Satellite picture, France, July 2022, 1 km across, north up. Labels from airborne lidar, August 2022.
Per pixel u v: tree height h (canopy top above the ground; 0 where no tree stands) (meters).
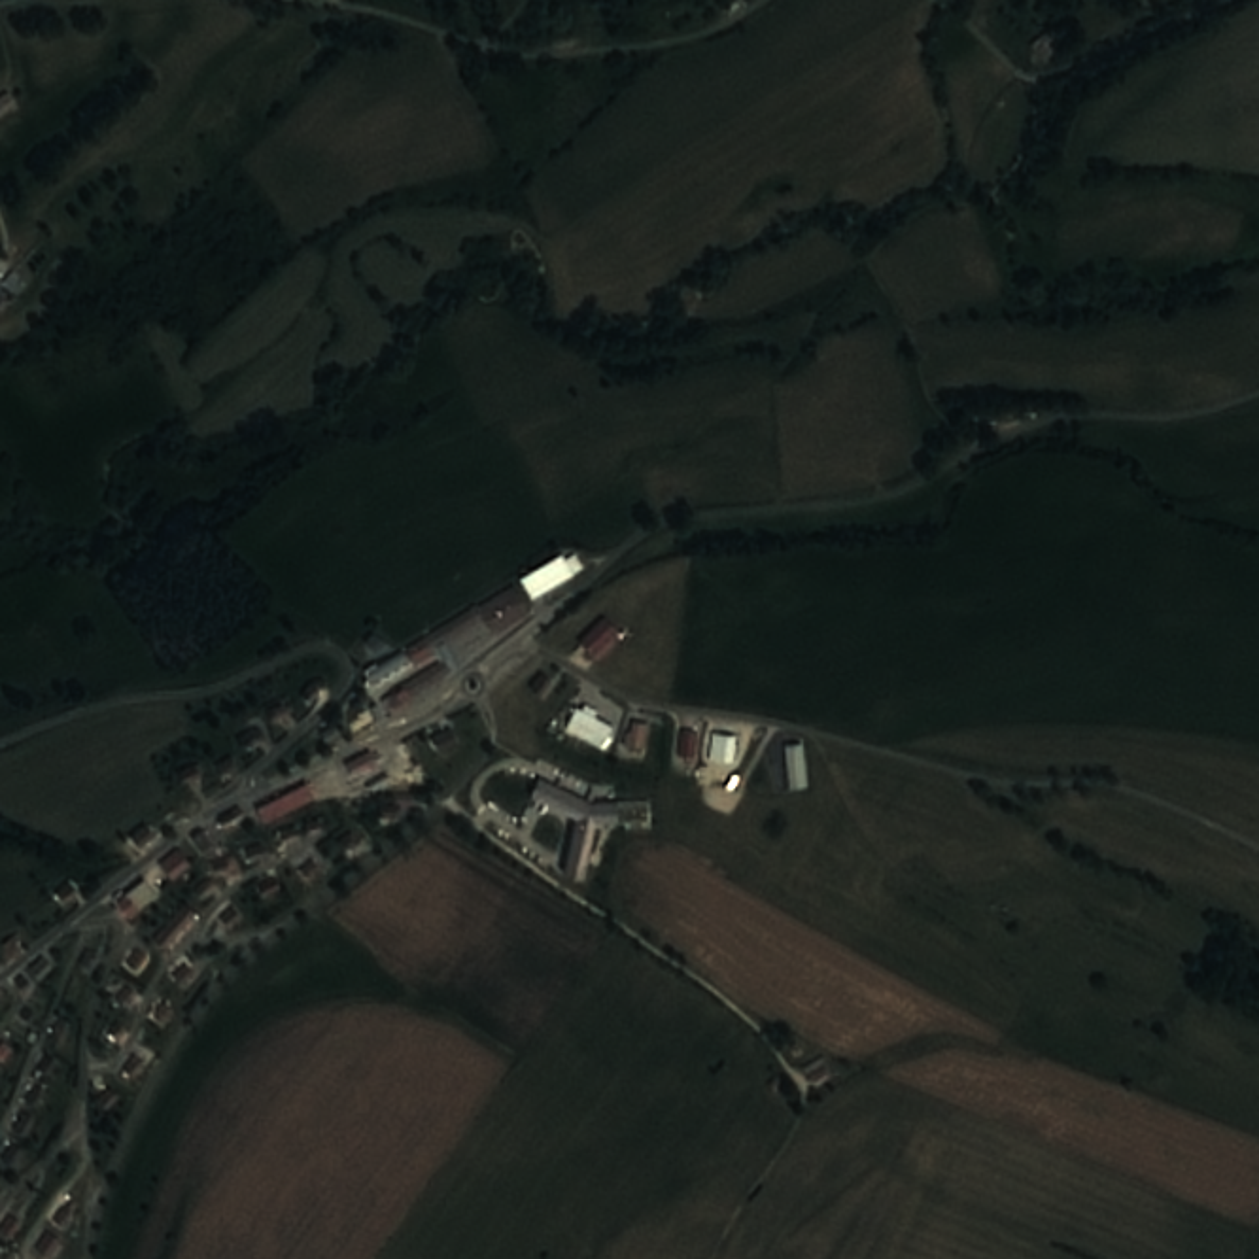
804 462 0
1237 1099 0
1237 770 0
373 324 0
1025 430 0
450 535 0
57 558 17
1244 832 0
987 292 0
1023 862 0
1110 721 0
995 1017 0
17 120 0
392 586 0
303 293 0
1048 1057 0
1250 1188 0
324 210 0
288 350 0
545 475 0
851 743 0
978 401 22
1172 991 0
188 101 0
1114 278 6
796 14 0
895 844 0
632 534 0
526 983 0
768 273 0
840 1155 0
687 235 0
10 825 13
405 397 0
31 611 0
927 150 0
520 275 16
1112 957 0
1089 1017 0
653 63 8
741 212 0
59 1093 0
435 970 0
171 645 24
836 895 0
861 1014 0
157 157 0
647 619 0
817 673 0
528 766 0
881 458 0
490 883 0
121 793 0
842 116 0
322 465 0
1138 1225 0
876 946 0
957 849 0
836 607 0
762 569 0
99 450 0
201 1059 0
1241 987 25
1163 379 0
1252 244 0
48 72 0
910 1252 0
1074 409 14
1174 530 0
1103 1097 0
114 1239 0
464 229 0
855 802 0
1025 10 21
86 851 16
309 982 0
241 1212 0
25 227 0
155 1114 0
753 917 0
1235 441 0
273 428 30
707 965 0
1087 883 0
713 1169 0
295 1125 0
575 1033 0
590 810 0
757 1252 0
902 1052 0
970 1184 0
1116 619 0
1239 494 0
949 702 0
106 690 0
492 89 0
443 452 0
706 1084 0
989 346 0
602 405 0
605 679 0
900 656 0
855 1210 0
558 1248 0
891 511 0
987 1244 0
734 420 0
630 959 0
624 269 0
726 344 0
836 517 0
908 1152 0
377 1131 0
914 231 0
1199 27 13
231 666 0
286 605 0
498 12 14
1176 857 0
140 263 7
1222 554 0
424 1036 0
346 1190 0
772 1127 0
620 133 0
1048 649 0
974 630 0
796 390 0
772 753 0
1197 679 0
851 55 0
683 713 0
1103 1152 0
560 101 0
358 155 0
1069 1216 0
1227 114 0
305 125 0
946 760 0
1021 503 0
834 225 20
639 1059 0
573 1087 0
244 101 0
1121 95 0
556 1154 0
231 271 6
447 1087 0
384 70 0
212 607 24
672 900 0
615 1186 0
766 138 0
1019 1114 0
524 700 0
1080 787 13
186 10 0
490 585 0
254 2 17
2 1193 0
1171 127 0
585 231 0
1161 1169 0
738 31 8
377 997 0
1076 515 0
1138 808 0
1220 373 0
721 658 0
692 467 0
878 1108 0
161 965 0
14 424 0
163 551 20
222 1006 0
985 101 0
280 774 8
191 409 0
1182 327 0
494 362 0
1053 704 0
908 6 0
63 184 0
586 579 0
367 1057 0
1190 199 0
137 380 0
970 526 0
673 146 0
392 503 0
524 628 0
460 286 6
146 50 0
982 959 0
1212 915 6
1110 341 0
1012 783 0
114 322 12
